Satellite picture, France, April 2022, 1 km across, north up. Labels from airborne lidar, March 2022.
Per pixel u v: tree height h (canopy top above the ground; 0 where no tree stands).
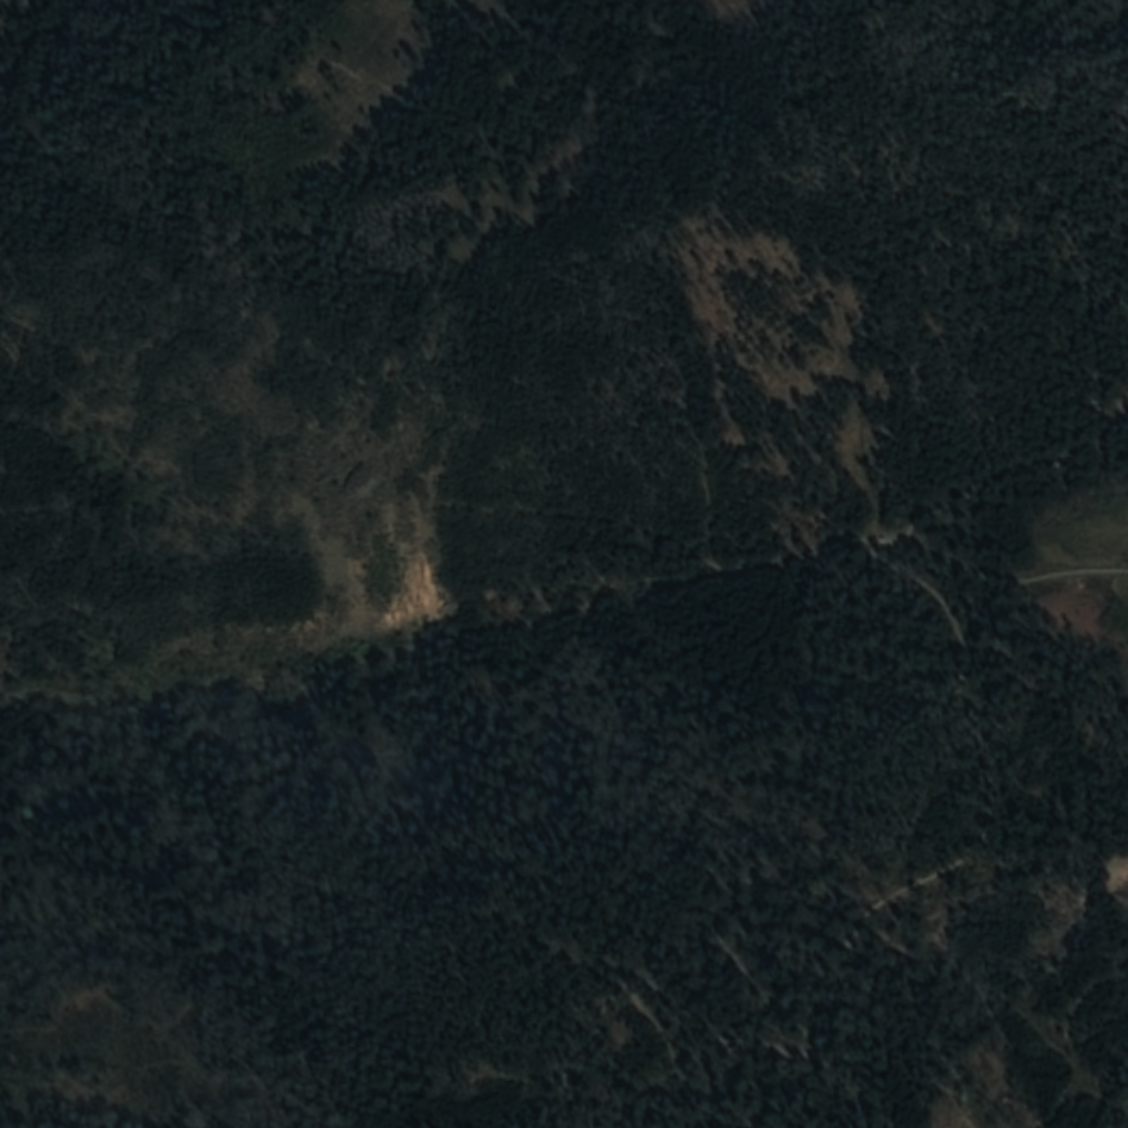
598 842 34
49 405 19
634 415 20
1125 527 0
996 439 32
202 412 19
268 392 16
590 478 25
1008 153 23
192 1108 0
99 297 18
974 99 23
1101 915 23
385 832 10
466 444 17
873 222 29
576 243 14
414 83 0
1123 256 31
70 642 23
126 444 24
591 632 24
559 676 31
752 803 10
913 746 32
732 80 15
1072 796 12
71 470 26
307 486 16
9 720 18
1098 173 26
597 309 22
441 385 16
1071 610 0
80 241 15
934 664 26
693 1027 34
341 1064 21
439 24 22
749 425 36
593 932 37
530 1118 12
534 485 16
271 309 14
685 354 37
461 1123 12
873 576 14
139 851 36
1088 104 27
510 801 18
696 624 20
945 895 10
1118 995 11
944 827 8
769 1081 11
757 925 31
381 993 16
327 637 7
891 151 22
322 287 22
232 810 31
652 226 20
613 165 18
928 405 24
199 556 24
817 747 28
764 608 23
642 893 36
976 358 30
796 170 20
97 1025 0
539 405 16
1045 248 32
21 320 13
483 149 26
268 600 22
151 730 12
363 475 8
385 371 14
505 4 33
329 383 17
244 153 8
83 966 15
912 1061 28
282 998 12
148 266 21
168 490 25
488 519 16
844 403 43
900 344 26
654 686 32
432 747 14
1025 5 13
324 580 17
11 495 22
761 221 34
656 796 31
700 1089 36
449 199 29
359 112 0
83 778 28
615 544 24
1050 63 20
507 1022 34
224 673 12
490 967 35
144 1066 0
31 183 28
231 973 18
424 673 19
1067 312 31
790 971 36
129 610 17
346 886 20
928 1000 26
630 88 16
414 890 10
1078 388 29
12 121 23
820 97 8
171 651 19
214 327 16
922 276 24
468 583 18
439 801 17
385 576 9
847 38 26
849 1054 37
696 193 23
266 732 25
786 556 18
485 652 25
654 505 24
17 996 15
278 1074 21
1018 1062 9
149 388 14
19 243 16
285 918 25
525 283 20
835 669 6
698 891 31
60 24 21
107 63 21
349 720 23
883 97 26
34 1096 0
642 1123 29
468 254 0
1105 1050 12
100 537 24
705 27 18
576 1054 34
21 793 13
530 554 23
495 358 22
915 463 34
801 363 26
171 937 29
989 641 40
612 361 18
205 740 11
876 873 7
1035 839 32
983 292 28
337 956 12
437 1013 12
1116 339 28
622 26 10
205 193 23
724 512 7
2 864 28
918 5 26
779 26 26
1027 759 7
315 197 24
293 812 15
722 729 6
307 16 11
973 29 16
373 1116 27
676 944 36
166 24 15
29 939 28
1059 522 19
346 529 10
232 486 19
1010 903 25
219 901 6
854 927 26
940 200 32
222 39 16
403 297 23
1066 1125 15
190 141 12
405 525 13
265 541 18
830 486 38
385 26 0
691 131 23
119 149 23
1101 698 32
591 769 31
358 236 26
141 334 16
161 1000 27
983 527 35
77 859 33
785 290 27
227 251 25
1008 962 24
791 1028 39
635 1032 10
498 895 36
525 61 31
